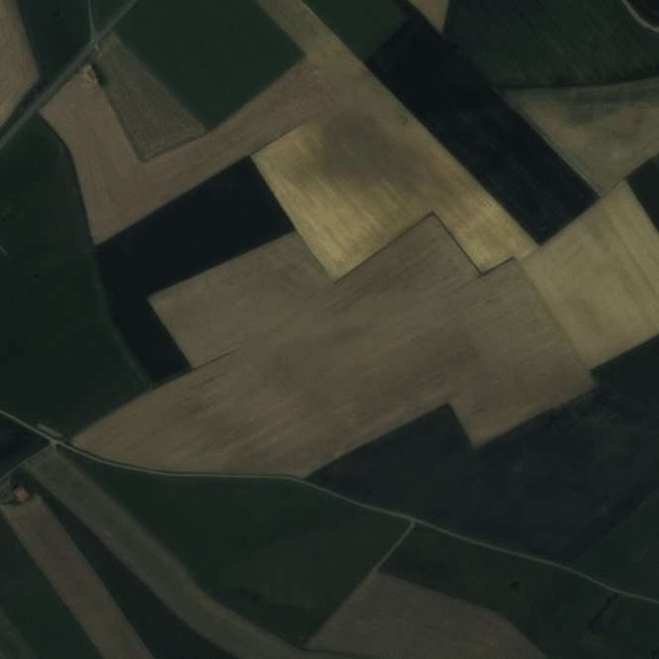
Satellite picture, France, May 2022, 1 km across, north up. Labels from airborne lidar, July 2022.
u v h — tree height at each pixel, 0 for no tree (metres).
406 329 0
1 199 0
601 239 0
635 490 0
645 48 0
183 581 0
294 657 0
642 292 0
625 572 0
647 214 0
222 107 0
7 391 0
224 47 0
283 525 0
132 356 0
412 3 0
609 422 0
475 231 0
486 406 0
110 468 0
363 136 0
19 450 0
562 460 0
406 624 0
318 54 0
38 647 0
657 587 0
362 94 0
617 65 0
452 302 0
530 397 0
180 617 0
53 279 0
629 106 0
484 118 0
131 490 0
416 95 0
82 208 0
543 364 0
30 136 0
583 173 0
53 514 0
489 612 0
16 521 0
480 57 0
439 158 0
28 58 0
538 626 0
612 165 0
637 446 0
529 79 0
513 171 0
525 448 0
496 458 0
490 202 0
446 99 0
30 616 0
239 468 0
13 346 0
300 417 0
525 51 0
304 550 0
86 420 0
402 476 0
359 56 0
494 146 0
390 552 0
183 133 0
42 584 0
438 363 0
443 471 0
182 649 0
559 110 0
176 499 0
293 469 0
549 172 0
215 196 0
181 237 0
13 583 0
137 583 0
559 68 0
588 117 0
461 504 0
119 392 0
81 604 0
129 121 0
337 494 0
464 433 0
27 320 0
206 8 0
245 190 0
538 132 0
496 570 0
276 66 0
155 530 0
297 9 0
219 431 0
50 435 0
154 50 0
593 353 0
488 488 0
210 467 0
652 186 0
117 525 0
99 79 9
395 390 0
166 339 0
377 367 0
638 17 0
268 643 0
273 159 0
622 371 0
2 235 0
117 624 0
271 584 0
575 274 0
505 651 0
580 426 0
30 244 0
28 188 0
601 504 0
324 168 0
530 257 0
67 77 0
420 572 0
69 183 0
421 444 0
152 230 0
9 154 0
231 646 0
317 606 0
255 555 0
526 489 0
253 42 0
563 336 0
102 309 0
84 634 0
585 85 0
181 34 0
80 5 0
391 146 0
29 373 0
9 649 0
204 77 0
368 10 0
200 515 0
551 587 0
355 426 0
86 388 0
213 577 0
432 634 0
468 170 0
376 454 0
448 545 0
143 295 0
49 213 0
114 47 0
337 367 0
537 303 0
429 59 0
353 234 0
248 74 0
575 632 0
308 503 0
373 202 0
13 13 0
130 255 0
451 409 0
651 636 0
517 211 0
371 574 0
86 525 0
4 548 0
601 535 0
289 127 0
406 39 0
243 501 0
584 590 0
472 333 0
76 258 0
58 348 0
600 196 0
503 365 0
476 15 0
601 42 0
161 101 0
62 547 0
